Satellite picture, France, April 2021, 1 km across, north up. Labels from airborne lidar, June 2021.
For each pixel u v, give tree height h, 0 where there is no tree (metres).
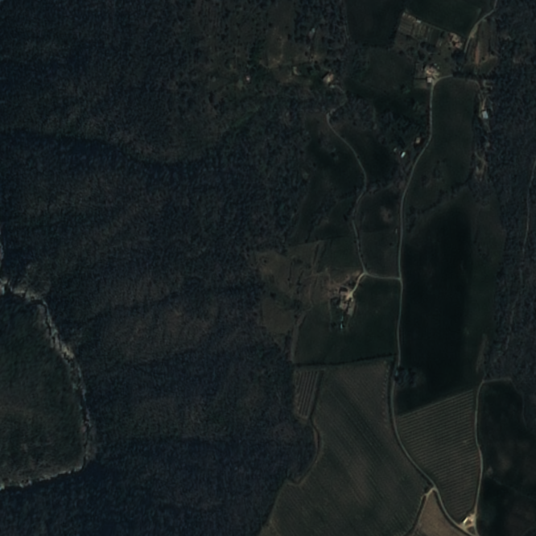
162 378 14
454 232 0
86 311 8
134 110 12
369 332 0
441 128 0
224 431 12
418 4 0
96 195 6
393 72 0
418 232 0
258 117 17
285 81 0
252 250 9
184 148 10
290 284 0
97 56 15
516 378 11
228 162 13
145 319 9
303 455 7
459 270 0
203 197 10
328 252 0
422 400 0
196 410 13
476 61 0
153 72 13
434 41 0
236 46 8
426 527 0
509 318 10
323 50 0
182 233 12
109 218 9
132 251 11
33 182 11
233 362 15
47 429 7
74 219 14
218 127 8
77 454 7
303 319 0
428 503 0
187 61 11
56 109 13
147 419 10
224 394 18
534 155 7
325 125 0
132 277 9
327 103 10
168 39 15
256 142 13
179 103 10
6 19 11
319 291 0
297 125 11
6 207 12
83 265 6
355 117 8
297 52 0
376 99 0
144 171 15
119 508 16
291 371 10
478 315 0
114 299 13
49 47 7
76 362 7
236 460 24
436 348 0
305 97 19
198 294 14
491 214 0
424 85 0
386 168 0
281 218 8
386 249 0
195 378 18
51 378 8
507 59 11
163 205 7
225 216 17
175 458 9
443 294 0
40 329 7
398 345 0
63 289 7
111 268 8
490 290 0
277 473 6
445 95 0
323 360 0
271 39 0
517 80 7
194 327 11
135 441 7
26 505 7
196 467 11
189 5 9
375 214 0
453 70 7
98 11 15
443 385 0
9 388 9
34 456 10
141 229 9
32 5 12
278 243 11
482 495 0
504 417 0
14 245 11
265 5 8
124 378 12
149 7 16
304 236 0
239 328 10
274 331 0
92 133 9
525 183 6
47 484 6
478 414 0
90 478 7
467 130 0
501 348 8
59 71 11
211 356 15
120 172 10
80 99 7
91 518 8
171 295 9
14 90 8
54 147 10
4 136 10
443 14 0
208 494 9
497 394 0
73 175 6
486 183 10
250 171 12
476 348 0
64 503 8
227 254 13
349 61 10
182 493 9
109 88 10
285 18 0
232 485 16
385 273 0
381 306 0
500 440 0
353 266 0
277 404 9
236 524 19
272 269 0
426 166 0
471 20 0
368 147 0
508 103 15
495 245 0
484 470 0
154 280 11
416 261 0
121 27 8
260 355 13
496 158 17
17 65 11
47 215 10
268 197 13
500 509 0
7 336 8
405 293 0
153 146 14
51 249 8
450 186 0
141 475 12
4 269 7
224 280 9
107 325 10
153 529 8
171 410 14
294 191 11
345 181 0
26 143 6
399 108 0
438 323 0
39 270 7
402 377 10
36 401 11
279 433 9
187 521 12
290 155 6
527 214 8
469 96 0
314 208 0
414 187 0
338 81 12
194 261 13
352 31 0
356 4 0
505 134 7
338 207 0
